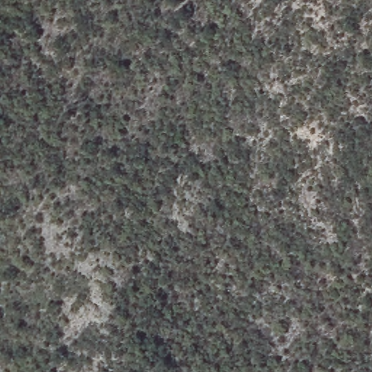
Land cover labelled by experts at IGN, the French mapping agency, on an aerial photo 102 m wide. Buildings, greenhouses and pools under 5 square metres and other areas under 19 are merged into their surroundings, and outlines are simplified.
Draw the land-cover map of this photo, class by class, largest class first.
<instances>
[{"label":"brushwood","instance_id":"1","mask_svg":"<svg viewBox=\"0 0 372 372\"><path fill-rule=\"evenodd\" d=\"M280 3L285 4L282 25L264 23V26L275 31V36L270 39L251 38L256 22H260L266 16L275 17V7ZM307 3L317 4L318 0H0V372H80L84 365H92L93 357L97 355L105 356L108 362L106 368H100L97 372H372V0H325V15L321 17V22H328L330 26L323 31L312 26L311 17H304V13H312ZM305 121H317L320 126L321 142H318L315 148L308 147L310 139H301L296 135V129L302 128ZM301 183H307L310 192H317L314 209L299 205ZM48 214L51 224L58 225L61 231L60 234H55V240H62L65 235L70 237V243H65V247L70 248L68 259H64L62 254L61 259H57L55 253H45L42 221ZM92 253L96 260L94 272L102 273L106 279V282L96 280V285L100 288L103 302L115 310L110 312L108 323H90L81 330L78 339L64 346L60 341L64 334L60 324L61 321L70 324V320L62 311V299L65 296H76V302L71 305V312L74 314H77L83 305L92 301L87 276L78 272L74 266L76 262H84Z\"/></svg>","mask_w":372,"mask_h":372},{"label":"bare soil","instance_id":"2","mask_svg":"<svg viewBox=\"0 0 372 372\"><path fill-rule=\"evenodd\" d=\"M325 0H318L317 4L307 3L312 13H304V17H311L312 26L323 31L330 26L328 22H321V17L325 15ZM285 4L280 3L275 7V17L266 16L260 22H256L251 38L270 39L275 36V31L264 26V23L282 25ZM320 126L317 121H305L302 128L296 129V135L301 139H310L308 147L315 148L318 142H321ZM299 205L314 209L317 192H310L307 183H301ZM61 231L58 225L51 224L48 214L42 221L45 253H55L57 259H61L62 254L64 259H68L70 248L65 247V243H70V237L65 235L62 240H55V234H60ZM74 266L78 272L87 276L92 301L83 305L77 314H74L71 312V305L76 302V296H65L62 299V311L70 320V324L61 321L60 324L64 334L60 341L64 346L78 339L81 330L90 323H108L110 312L115 310L103 302L100 288L96 285V280L106 282V279L102 273L94 272L96 260L92 253L84 262H76ZM108 362L105 356L97 355L93 357L92 365H84L80 372H97L100 368H106Z\"/></svg>","mask_w":372,"mask_h":372}]
</instances>
